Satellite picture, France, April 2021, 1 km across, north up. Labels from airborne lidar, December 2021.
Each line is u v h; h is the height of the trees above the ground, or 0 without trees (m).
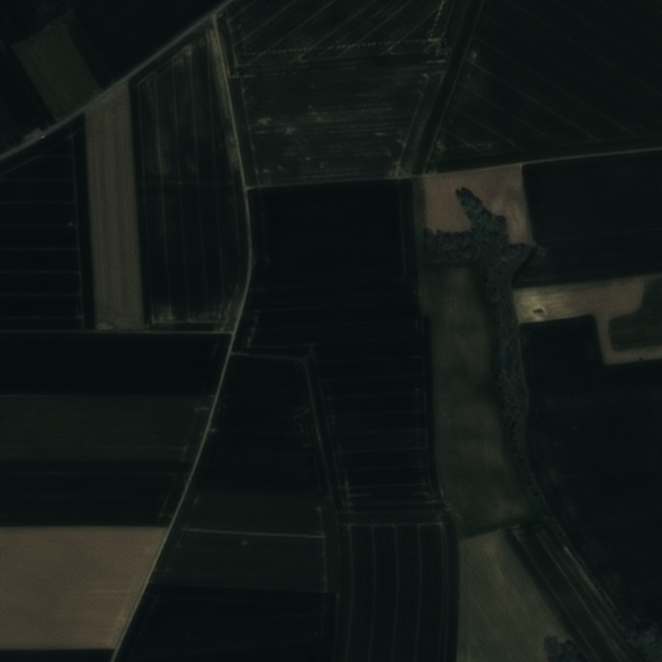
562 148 0
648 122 0
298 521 0
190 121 0
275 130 0
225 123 0
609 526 0
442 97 0
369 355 0
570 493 0
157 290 0
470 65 0
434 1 0
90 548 0
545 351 0
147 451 0
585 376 0
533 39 0
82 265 0
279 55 0
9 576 0
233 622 0
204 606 0
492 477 0
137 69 0
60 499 0
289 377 0
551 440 0
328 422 0
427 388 0
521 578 0
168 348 0
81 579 0
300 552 0
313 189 0
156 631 0
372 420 0
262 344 0
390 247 0
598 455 0
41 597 0
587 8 0
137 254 0
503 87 0
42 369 0
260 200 0
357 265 0
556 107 0
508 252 15
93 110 0
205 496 0
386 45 0
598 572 0
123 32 0
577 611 0
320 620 0
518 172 0
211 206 0
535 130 0
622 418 0
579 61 0
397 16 0
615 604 0
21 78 0
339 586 0
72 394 0
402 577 0
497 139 0
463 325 0
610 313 0
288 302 0
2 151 0
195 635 0
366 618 0
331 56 0
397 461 0
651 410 0
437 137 0
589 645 0
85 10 0
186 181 0
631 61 0
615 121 0
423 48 0
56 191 0
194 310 0
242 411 0
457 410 0
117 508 0
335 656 0
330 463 0
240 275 0
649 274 0
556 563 0
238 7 0
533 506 0
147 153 0
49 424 0
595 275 0
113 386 0
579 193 0
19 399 0
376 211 0
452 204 0
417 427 0
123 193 0
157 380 0
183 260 0
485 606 0
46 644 0
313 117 0
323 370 0
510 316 11
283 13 0
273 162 0
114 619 0
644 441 0
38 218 0
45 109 0
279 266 0
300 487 0
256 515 0
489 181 0
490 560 0
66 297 0
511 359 20
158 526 0
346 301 0
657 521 0
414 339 0
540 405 0
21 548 0
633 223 0
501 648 0
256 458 0
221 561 0
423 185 0
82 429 0
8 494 0
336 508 0
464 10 0
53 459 0
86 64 0
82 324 0
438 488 0
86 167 0
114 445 0
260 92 0
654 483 0
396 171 0
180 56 0
